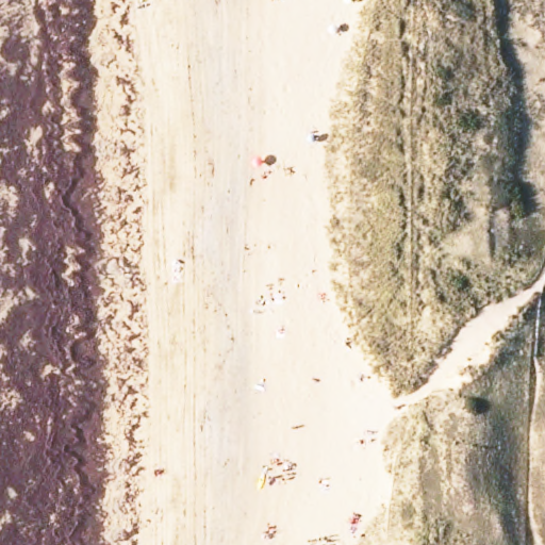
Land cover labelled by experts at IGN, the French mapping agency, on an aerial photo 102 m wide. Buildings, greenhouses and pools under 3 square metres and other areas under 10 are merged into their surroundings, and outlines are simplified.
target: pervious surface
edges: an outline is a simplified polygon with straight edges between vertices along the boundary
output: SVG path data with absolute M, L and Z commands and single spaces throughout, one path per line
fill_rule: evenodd
M 536 221 L 545 228 L 545 0 L 517 0 L 511 6 L 509 32 L 517 60 L 524 66 L 526 94 L 526 113 L 530 117 L 530 145 L 526 151 L 524 168 L 526 181 L 534 185 Z
M 424 402 L 426 396 L 432 394 L 445 398 L 449 387 L 460 390 L 462 383 L 477 379 L 481 375 L 481 368 L 500 349 L 492 338 L 494 332 L 507 328 L 511 315 L 526 307 L 545 287 L 545 266 L 539 281 L 532 287 L 519 292 L 509 300 L 485 307 L 477 319 L 468 321 L 456 338 L 451 353 L 439 360 L 436 370 L 424 387 L 419 387 L 413 394 L 402 394 L 394 398 L 394 407 L 402 417 L 415 413 L 415 402 Z

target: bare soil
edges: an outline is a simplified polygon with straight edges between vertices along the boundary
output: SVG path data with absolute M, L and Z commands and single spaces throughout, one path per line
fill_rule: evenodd
M 524 66 L 517 60 L 509 32 L 511 6 L 517 0 L 0 0 L 0 545 L 545 545 L 545 287 L 526 307 L 511 315 L 507 328 L 494 332 L 492 338 L 500 349 L 481 368 L 481 375 L 477 379 L 462 383 L 460 390 L 449 387 L 445 398 L 432 394 L 426 396 L 424 402 L 415 402 L 415 413 L 402 417 L 394 407 L 394 398 L 402 394 L 413 394 L 419 387 L 424 387 L 436 370 L 439 360 L 451 353 L 456 338 L 468 321 L 477 319 L 485 307 L 509 300 L 519 292 L 532 287 L 539 281 L 545 266 L 545 251 L 536 258 L 522 258 L 519 264 L 509 266 L 509 215 L 505 209 L 496 213 L 488 209 L 490 187 L 488 175 L 483 170 L 483 155 L 494 155 L 498 151 L 498 138 L 485 143 L 485 136 L 488 132 L 496 130 L 496 119 L 500 113 L 509 109 L 511 96 L 526 94 Z M 460 126 L 460 117 L 466 111 L 477 111 L 481 115 L 481 130 L 468 132 Z

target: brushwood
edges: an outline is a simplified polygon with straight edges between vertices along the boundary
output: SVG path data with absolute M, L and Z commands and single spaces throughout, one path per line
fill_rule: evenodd
M 481 115 L 477 111 L 466 111 L 460 117 L 460 126 L 468 132 L 481 130 Z
M 500 113 L 496 119 L 496 130 L 488 132 L 485 136 L 485 143 L 498 138 L 498 151 L 494 155 L 483 155 L 483 170 L 488 175 L 490 187 L 488 209 L 496 213 L 505 209 L 509 215 L 509 266 L 519 264 L 522 258 L 536 258 L 545 251 L 545 228 L 536 221 L 534 185 L 526 181 L 524 168 L 526 151 L 530 145 L 530 117 L 526 113 L 526 94 L 511 96 L 509 109 Z

